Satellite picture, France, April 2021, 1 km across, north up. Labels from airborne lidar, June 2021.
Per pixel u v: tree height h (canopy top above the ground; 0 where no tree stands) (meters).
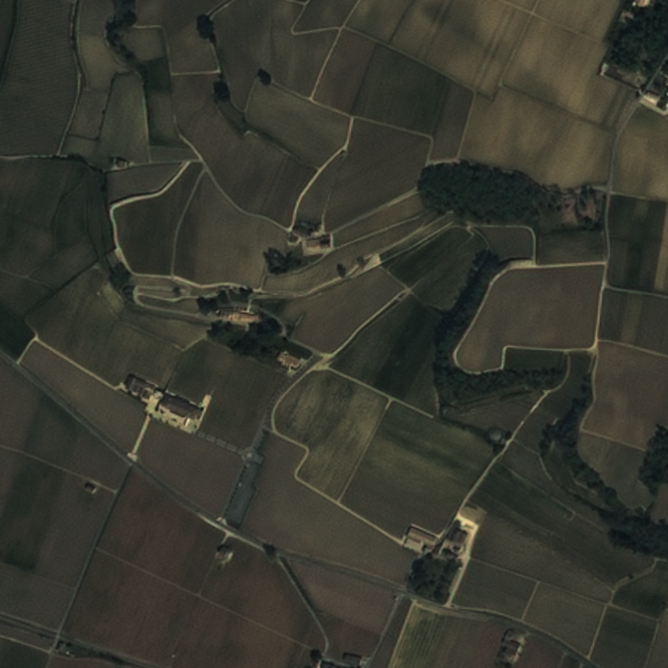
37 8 0
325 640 0
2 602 0
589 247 0
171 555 0
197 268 0
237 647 0
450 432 0
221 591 0
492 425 0
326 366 0
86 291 0
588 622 0
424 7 0
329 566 0
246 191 0
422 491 0
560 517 0
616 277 0
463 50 0
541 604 0
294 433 0
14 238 0
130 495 0
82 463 0
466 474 0
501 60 0
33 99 0
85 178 0
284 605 0
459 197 20
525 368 0
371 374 0
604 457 0
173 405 0
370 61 0
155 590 0
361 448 0
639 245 0
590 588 0
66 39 0
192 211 0
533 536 0
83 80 0
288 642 0
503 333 0
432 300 0
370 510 0
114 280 13
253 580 0
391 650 0
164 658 0
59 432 0
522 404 0
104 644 0
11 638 0
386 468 0
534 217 27
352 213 0
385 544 0
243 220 0
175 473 0
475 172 13
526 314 0
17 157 0
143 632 0
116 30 17
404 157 0
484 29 0
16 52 0
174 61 0
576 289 0
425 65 0
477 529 0
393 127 0
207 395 0
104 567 0
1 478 0
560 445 17
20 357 0
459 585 0
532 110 0
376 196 0
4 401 0
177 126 0
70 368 0
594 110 0
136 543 0
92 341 0
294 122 0
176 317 0
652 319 0
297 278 0
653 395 0
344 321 0
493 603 0
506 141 0
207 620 0
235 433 0
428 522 0
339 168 0
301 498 0
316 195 0
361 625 0
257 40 0
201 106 0
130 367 0
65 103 0
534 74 0
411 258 0
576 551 0
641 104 0
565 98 0
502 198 23
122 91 0
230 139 0
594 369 0
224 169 0
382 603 0
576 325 0
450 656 0
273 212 0
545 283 0
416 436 0
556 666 0
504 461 0
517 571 0
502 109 0
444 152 0
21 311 0
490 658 0
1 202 0
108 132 0
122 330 0
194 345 0
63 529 0
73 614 0
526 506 0
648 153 0
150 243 0
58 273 0
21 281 0
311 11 0
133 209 0
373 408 0
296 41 0
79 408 0
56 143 0
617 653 0
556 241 0
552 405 0
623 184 0
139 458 0
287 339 7
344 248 0
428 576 25
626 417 0
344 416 0
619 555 0
